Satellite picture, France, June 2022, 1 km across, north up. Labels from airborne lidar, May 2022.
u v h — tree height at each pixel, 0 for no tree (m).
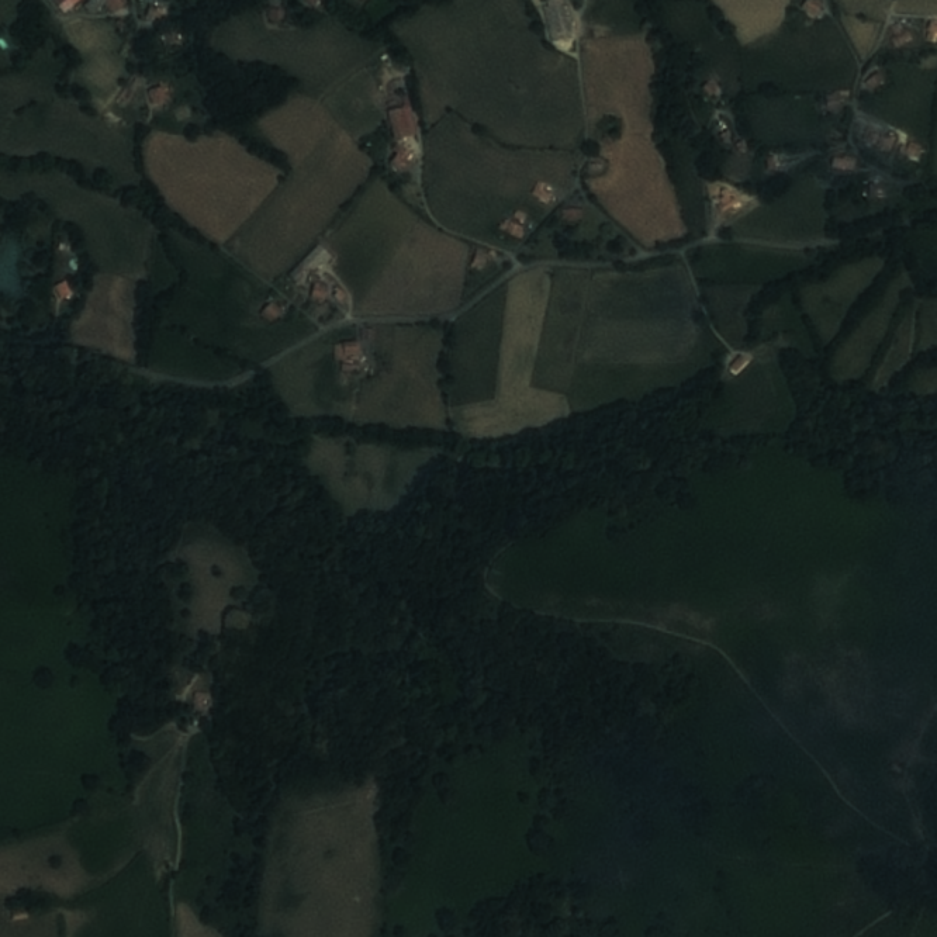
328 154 0
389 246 0
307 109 0
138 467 16
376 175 9
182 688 0
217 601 0
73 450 18
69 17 0
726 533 0
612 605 0
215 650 18
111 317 0
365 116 0
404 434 16
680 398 26
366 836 0
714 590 0
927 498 22
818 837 0
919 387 0
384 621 20
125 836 0
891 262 10
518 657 16
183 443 25
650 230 0
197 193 0
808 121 0
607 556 0
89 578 16
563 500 19
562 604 0
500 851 0
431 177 0
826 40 0
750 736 0
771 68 0
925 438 30
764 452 0
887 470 18
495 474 18
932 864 24
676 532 0
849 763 0
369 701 16
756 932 0
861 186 14
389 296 0
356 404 0
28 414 22
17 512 0
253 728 21
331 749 20
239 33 0
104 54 0
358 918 0
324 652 22
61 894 0
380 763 14
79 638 0
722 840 0
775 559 0
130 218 0
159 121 6
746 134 17
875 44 0
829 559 0
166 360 0
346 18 28
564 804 12
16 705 0
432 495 34
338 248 0
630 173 0
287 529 22
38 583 0
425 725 21
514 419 0
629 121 0
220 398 10
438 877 0
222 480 23
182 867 6
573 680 35
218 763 15
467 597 16
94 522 19
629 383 0
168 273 0
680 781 16
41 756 0
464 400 0
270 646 22
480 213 0
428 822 0
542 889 12
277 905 0
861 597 0
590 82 0
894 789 0
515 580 0
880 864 11
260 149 11
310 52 0
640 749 18
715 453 23
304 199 0
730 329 0
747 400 0
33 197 16
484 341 0
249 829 20
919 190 12
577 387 0
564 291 0
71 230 12
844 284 0
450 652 21
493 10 0
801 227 0
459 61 0
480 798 0
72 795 0
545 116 0
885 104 0
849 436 27
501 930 13
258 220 0
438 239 0
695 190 0
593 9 0
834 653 0
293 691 25
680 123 9
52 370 29
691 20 0
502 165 0
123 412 20
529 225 0
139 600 15
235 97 23
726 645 0
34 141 0
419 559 17
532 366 0
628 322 0
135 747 0
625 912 0
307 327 0
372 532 19
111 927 0
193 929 0
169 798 0
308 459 0
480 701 19
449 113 11
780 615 0
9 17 0
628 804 8
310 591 17
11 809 0
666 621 0
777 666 0
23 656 0
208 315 0
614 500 17
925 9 0
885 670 0
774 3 0
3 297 13
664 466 13
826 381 17
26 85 0
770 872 0
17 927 0
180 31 25
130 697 17
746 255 0
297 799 0
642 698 22
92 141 0
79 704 0
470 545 7
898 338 0
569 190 0
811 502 0
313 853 0
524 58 0
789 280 11
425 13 0
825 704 0
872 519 0
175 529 13
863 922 0
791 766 0
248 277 0
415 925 0
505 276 0
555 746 12
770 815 0
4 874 0
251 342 0
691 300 0
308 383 0
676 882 0
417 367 0
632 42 0
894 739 0
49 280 13
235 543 6
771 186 18
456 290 0
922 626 0
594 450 23
